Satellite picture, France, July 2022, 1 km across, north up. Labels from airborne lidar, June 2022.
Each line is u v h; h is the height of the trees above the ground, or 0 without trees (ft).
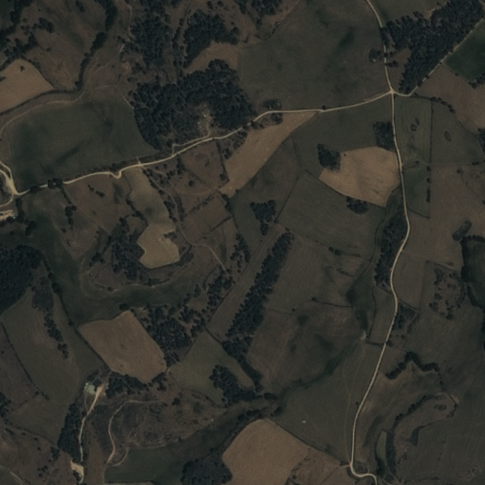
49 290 0
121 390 44
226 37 40
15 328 0
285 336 0
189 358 0
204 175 0
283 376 0
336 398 0
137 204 0
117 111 0
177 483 0
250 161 0
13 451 0
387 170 0
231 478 38
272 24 0
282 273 0
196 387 0
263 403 0
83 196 0
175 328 43
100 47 40
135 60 50
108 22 40
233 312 0
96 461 0
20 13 35
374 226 0
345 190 0
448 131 0
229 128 39
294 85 0
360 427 0
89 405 0
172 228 0
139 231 0
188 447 0
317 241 0
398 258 0
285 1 0
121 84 0
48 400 0
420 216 0
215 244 0
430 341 0
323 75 0
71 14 0
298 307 0
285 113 0
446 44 56
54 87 0
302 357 0
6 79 0
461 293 20
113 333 0
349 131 0
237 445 0
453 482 0
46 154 0
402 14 0
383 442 0
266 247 0
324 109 33
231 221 0
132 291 0
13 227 0
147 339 0
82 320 0
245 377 0
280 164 0
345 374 0
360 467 0
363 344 0
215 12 0
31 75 0
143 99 56
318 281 0
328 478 0
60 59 0
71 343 0
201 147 0
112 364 0
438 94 0
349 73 0
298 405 0
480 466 0
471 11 59
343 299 0
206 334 0
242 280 0
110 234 0
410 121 0
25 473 0
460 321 0
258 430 0
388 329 0
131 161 0
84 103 0
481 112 0
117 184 0
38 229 0
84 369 0
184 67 33
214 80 46
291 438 0
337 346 0
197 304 0
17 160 0
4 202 0
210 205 0
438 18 64
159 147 53
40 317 0
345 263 0
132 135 0
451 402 0
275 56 0
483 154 0
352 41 0
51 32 27
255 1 41
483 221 0
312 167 0
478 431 0
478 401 0
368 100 0
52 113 0
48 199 0
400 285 0
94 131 0
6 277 61
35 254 33
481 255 0
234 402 45
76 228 0
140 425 0
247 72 0
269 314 0
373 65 0
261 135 0
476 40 0
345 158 0
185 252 0
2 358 0
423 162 0
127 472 0
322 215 0
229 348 84
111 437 0
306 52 0
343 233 0
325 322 0
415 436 0
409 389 0
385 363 0
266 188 0
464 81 0
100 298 0
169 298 0
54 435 0
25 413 0
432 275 0
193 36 55
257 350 0
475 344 0
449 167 0
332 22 0
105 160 0
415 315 0
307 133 0
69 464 0
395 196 0
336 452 0
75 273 0
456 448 0
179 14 0
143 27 32
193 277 0
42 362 0
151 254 0
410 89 52
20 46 36
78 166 0
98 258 32
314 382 0
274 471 0
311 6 0
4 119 0
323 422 0
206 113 0
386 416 0
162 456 0
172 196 0
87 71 0
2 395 24
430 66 63
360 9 0
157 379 40
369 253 0
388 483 0
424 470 0
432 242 0
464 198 0
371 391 0
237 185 0
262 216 54
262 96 0
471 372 0
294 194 0
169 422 0
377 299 0
